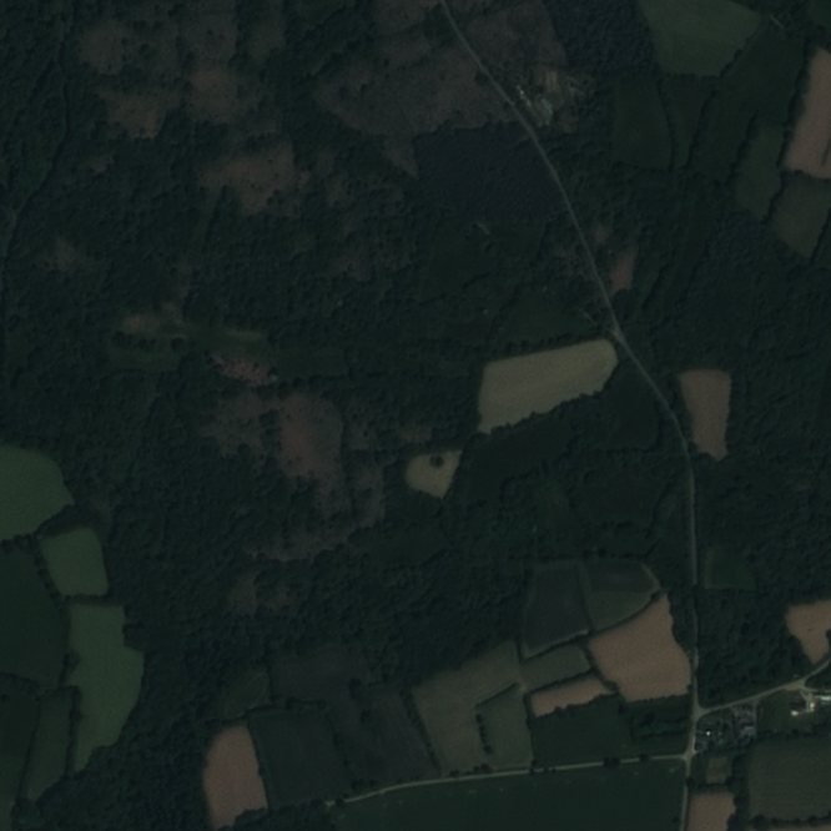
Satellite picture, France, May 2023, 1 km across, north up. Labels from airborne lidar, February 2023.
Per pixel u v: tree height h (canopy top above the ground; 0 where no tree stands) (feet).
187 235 47
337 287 42
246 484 40
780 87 0
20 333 42
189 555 54
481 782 0
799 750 0
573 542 0
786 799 0
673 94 0
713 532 20
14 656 0
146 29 39
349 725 0
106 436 21
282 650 29
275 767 0
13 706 0
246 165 0
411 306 39
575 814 0
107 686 0
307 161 35
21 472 0
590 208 31
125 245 42
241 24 25
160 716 69
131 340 23
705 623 37
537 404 0
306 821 60
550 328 0
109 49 0
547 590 0
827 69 0
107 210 24
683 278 0
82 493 42
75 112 50
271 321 42
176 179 34
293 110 41
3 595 0
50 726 0
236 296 30
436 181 55
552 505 0
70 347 22
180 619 55
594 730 0
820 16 0
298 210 19
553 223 35
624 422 0
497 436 42
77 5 52
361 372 41
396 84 0
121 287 37
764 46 0
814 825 39
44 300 55
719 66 0
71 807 74
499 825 0
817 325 35
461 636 59
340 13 29
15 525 0
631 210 21
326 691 0
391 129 0
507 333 0
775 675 52
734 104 0
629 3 65
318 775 0
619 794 0
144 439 29
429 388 41
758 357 43
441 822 0
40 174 45
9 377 0
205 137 31
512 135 51
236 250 37
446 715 0
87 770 19
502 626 55
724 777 0
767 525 34
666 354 54
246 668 37
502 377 0
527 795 0
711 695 39
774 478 19
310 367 0
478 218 48
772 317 19
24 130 55
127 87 34
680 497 22
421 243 44
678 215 37
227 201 31
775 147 0
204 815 27
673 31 0
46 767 0
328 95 0
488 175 42
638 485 0
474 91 0
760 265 30
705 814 0
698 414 0
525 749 0
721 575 0
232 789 0
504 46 0
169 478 31
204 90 0
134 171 36
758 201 0
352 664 0
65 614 25
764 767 0
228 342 0
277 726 0
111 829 19
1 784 0
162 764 25
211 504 42
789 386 24
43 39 50
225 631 61
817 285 44
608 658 0
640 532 22
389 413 20
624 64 58
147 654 20
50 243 36
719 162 0
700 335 54
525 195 45
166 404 37
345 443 24
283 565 29
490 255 27
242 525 39
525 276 30
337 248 26
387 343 44
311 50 30
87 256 37
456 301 28
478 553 52
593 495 0
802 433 25
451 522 46
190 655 44
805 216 0
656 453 48
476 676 0
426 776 0
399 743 0
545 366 0
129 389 27
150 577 73
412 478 0
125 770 44
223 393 20
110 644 0
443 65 0
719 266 46
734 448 32
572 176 23
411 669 48
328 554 30
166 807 65
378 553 0
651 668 0
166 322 0
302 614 39
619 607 0
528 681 0
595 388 0
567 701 0
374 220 26
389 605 34
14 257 48
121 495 52
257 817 22
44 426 63
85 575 0
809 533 34
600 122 33
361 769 0
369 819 0
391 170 33
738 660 28
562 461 33
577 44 49
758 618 29
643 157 0
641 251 20
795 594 62
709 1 0
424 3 0
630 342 21
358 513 25
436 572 59
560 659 0
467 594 33
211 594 43
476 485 0
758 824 42
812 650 0
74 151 39
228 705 0
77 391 42
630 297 43
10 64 56
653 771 0
